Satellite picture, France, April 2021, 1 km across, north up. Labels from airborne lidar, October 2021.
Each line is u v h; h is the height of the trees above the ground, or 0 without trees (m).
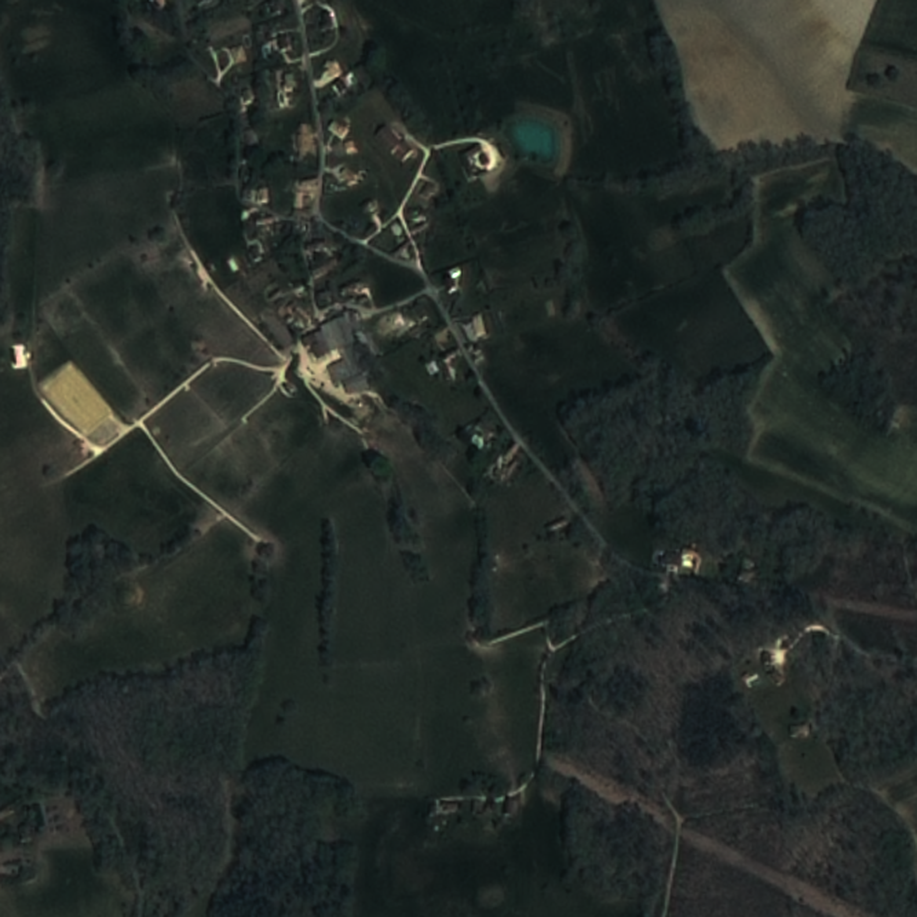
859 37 0
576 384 0
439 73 0
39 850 0
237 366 0
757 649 19
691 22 0
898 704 20
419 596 0
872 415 11
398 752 0
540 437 0
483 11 0
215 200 0
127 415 0
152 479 0
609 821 25
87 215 0
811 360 0
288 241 7
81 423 0
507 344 0
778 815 17
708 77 0
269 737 0
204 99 0
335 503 0
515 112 0
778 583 6
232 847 28
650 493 6
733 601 19
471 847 0
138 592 0
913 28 0
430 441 24
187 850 22
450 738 0
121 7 22
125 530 0
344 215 0
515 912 0
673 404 23
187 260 0
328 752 0
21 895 0
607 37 0
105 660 0
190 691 21
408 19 0
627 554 0
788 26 0
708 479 24
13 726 25
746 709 13
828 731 19
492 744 0
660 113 0
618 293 0
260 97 15
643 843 19
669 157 0
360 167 0
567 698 13
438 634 0
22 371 0
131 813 18
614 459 22
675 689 19
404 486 0
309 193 0
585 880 14
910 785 0
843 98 0
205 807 25
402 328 0
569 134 0
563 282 19
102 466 0
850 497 0
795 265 0
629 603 20
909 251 24
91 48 0
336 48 0
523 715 0
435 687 0
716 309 0
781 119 0
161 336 0
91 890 0
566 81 0
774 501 0
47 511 0
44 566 0
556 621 12
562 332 0
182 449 0
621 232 0
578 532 14
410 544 19
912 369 6
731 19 0
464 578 0
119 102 0
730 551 21
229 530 0
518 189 0
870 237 27
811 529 22
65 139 0
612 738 14
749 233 6
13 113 19
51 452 0
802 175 0
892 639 20
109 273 0
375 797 0
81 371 0
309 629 0
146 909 6
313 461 0
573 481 19
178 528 0
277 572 0
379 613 0
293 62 0
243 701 23
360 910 0
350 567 0
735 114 0
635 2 0
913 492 0
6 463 0
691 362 0
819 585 7
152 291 0
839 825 17
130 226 0
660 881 26
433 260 0
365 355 13
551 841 0
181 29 20
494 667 0
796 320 0
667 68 26
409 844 0
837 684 18
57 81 0
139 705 20
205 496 0
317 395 0
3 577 0
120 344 0
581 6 0
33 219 0
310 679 0
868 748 15
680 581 14
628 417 21
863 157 17
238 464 0
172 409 0
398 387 0
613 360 0
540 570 0
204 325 0
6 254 17
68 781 7
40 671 0
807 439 0
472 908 0
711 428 21
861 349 7
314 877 21
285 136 0
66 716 20
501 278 0
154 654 0
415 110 19
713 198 0
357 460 0
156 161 0
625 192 12
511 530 0
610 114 0
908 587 20
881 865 17
